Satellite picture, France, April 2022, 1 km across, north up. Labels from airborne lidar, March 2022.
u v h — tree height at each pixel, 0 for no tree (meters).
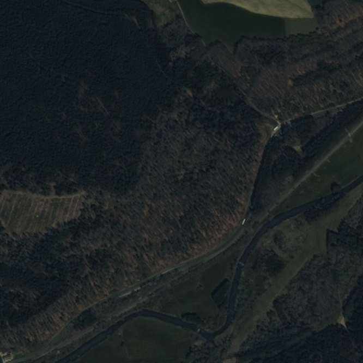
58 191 20
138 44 23
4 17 27
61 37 29
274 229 0
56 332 23
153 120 23
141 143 22
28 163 23
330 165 0
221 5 0
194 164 16
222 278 0
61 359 0
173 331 0
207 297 0
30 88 25
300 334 21
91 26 23
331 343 15
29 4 30
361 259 14
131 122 23
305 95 29
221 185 34
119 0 21
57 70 20
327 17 25
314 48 26
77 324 20
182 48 26
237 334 0
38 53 29
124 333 0
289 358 15
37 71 27
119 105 28
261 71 25
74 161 24
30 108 23
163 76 27
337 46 27
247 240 15
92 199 24
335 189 24
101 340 0
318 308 26
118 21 21
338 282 19
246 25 0
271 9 0
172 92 26
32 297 25
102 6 23
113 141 26
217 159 37
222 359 8
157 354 0
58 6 21
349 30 30
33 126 24
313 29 0
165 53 25
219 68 30
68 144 29
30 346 22
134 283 17
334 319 0
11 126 23
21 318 10
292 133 32
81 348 0
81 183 17
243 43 20
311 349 14
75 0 23
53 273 24
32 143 22
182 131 31
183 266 0
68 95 24
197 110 12
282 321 15
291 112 30
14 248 27
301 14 0
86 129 26
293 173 17
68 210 0
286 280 0
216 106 10
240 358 21
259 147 32
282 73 27
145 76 26
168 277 19
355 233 9
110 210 7
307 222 8
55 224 0
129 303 22
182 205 31
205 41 0
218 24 0
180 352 0
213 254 0
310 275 15
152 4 0
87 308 19
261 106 26
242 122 9
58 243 18
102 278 28
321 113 0
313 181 0
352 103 0
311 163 28
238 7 0
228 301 14
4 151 24
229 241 0
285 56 28
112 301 17
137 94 19
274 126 0
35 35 29
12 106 20
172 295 6
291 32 0
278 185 18
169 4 0
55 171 25
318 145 25
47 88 28
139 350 0
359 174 0
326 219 0
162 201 30
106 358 0
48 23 28
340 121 27
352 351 23
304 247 0
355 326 18
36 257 34
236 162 28
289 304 11
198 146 26
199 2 0
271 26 0
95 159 27
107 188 23
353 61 30
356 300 17
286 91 28
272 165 31
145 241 28
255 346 19
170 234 30
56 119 26
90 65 31
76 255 26
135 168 29
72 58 24
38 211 0
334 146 0
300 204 0
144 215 30
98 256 14
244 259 0
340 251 10
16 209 0
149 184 31
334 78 33
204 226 24
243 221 0
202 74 12
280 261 12
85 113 23
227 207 23
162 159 29
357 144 0
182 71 26
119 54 26
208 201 35
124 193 22
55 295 26
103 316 16
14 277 27
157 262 27
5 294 19
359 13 26
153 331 0
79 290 25
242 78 14
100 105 27
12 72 25
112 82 28
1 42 25
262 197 22
